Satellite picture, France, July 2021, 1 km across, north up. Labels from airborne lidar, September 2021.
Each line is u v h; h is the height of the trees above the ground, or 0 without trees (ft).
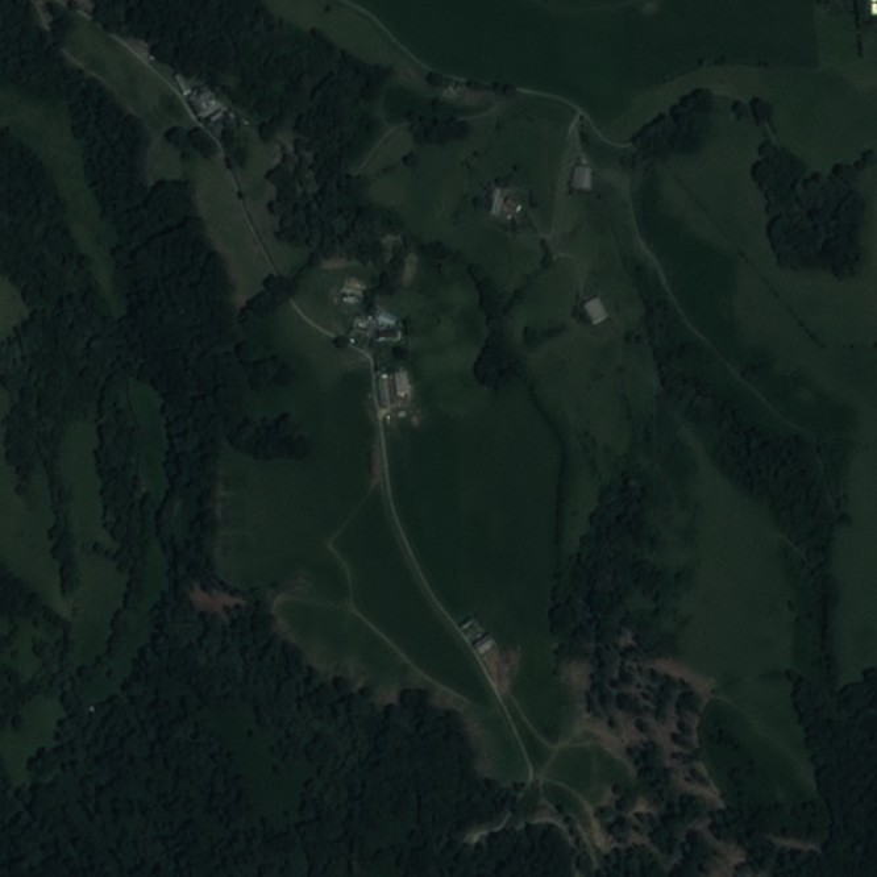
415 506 0
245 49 86
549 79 0
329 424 0
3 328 0
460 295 0
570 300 0
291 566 0
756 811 24
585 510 0
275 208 64
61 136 0
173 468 48
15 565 0
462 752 83
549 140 0
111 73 0
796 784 0
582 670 0
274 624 71
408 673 0
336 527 0
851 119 0
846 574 0
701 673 0
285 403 0
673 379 67
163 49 73
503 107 0
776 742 0
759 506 0
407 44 0
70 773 62
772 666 0
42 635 0
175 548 42
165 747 79
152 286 19
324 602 0
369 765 69
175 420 48
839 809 76
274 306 60
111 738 31
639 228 0
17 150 37
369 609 0
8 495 0
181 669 72
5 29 66
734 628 0
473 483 0
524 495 0
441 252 50
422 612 0
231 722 0
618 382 0
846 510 41
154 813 73
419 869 72
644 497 36
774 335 0
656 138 63
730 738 36
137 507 70
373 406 0
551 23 0
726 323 0
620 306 0
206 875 71
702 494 0
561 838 58
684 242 0
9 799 67
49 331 94
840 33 0
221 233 0
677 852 89
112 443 78
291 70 60
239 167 0
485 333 0
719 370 0
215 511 58
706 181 0
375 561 0
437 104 47
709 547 0
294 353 0
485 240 0
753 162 0
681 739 64
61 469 76
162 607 27
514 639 0
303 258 0
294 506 0
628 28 0
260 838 48
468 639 0
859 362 0
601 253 0
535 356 0
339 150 31
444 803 79
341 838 26
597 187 0
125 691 24
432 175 0
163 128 0
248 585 0
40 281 63
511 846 67
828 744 22
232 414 111
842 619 0
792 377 0
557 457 0
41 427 23
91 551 64
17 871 113
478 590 0
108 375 82
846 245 95
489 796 80
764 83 0
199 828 64
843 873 77
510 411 0
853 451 0
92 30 0
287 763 36
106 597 0
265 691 92
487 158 0
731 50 0
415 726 58
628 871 66
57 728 0
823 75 0
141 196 65
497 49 0
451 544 0
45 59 74
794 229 93
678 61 0
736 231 0
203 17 0
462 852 70
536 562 0
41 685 51
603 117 0
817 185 91
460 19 0
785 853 24
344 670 0
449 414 0
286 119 43
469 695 0
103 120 84
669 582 0
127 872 46
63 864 100
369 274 0
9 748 0
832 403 0
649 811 0
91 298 94
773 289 0
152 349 119
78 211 0
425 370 0
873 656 0
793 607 27
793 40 0
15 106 0
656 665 0
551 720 0
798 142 0
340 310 0
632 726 0
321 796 37
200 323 0
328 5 0
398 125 0
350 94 79
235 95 29
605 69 0
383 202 0
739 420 35
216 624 84
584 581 56
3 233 67
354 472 0
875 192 0
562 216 0
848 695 48
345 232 29
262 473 0
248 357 82
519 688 0
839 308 0
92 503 0
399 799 74
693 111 86
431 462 0
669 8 0
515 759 0
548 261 31
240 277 0
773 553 0
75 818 44
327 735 66
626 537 61
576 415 0
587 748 0
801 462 28
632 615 0
